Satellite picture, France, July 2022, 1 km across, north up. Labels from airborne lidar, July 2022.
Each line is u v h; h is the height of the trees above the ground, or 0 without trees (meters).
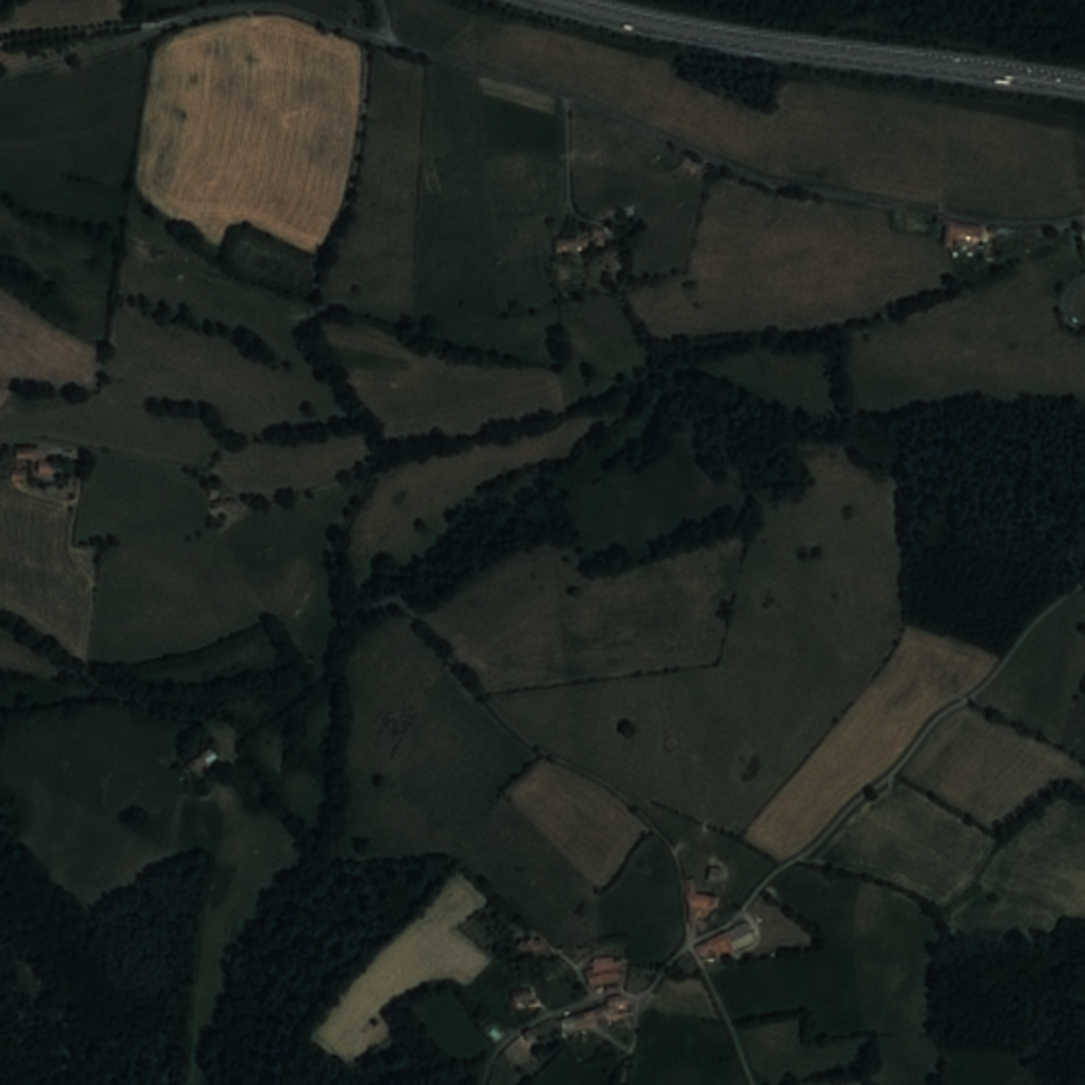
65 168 0
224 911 0
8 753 0
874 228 0
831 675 0
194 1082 0
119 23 5
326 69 0
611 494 0
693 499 0
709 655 0
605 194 0
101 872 0
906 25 12
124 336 0
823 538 0
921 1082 0
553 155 0
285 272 0
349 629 20
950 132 0
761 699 0
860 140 0
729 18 9
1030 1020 7
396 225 0
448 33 0
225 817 0
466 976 0
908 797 0
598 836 0
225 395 0
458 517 19
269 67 0
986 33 10
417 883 21
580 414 13
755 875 0
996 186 0
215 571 0
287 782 0
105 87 0
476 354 16
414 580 28
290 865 0
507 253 0
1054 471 26
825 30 9
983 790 0
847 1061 0
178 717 12
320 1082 32
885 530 0
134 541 0
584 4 0
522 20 8
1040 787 0
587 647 0
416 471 0
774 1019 10
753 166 0
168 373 0
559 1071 0
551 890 0
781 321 0
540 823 0
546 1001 0
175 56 0
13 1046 11
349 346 0
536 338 0
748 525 17
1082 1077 12
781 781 0
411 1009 12
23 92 0
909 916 0
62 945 22
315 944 22
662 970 11
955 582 9
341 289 0
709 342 7
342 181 0
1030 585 10
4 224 0
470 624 0
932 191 0
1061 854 0
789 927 0
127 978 28
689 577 0
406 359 0
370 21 7
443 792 0
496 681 0
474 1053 0
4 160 0
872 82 5
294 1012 10
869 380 0
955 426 26
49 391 16
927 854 0
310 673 22
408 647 0
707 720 0
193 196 0
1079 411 19
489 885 13
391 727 0
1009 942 22
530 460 0
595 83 0
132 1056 32
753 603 0
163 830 0
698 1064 0
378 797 0
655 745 0
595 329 0
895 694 0
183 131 0
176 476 0
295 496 13
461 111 0
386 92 0
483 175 0
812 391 0
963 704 0
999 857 0
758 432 27
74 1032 16
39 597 0
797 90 0
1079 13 20
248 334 18
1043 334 0
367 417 26
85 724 0
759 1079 0
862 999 0
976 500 29
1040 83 0
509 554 17
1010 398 0
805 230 0
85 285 0
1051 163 0
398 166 0
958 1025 11
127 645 0
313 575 0
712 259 0
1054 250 0
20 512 0
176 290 0
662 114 0
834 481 0
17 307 0
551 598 0
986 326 0
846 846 0
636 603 0
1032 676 0
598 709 0
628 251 7
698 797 0
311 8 0
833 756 0
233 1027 20
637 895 0
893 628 0
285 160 0
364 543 0
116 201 0
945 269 0
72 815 0
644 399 18
